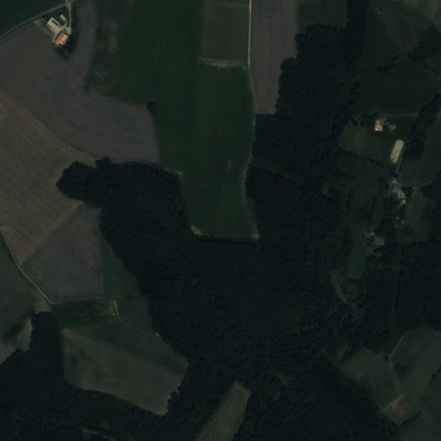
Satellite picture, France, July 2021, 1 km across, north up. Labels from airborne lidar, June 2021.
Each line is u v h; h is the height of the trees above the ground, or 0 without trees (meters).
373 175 0
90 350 0
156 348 0
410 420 7
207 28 0
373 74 0
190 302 27
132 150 0
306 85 25
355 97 13
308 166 26
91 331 0
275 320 16
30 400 16
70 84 0
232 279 22
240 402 0
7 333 0
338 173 18
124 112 0
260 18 0
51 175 0
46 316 21
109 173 21
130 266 13
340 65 21
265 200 19
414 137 9
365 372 0
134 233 23
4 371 17
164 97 0
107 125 0
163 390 0
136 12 0
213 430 0
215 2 0
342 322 20
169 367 0
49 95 0
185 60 0
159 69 0
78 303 0
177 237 29
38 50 0
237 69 0
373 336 12
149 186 25
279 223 24
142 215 20
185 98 0
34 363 19
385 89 0
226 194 0
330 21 0
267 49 0
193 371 23
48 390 22
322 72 27
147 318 0
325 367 19
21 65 0
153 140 0
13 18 0
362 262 0
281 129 21
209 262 22
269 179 17
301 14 0
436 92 0
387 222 22
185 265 20
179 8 0
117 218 17
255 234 0
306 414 18
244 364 22
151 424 20
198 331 22
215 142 0
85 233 0
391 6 0
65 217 0
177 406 21
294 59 17
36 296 0
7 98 0
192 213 0
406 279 26
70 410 22
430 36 6
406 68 0
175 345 17
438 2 0
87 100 0
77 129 0
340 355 0
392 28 0
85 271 0
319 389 16
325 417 21
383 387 0
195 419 8
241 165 0
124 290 0
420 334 0
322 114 25
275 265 21
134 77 0
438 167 0
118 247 18
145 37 0
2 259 0
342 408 18
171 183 19
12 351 0
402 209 10
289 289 20
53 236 0
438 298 21
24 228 0
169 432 20
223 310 39
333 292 16
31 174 0
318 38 26
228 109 0
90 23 0
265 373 23
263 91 0
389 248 13
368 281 12
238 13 0
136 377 0
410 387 0
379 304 21
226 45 0
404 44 0
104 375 0
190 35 0
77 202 0
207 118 0
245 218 0
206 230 0
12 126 0
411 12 0
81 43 0
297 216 28
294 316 19
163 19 0
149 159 0
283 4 0
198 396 10
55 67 0
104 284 0
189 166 0
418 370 0
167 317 26
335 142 15
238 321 24
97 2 0
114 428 18
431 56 7
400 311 21
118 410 9
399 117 0
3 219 0
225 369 18
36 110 0
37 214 0
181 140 0
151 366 0
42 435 20
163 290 20
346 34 15
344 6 0
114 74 0
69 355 0
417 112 0
